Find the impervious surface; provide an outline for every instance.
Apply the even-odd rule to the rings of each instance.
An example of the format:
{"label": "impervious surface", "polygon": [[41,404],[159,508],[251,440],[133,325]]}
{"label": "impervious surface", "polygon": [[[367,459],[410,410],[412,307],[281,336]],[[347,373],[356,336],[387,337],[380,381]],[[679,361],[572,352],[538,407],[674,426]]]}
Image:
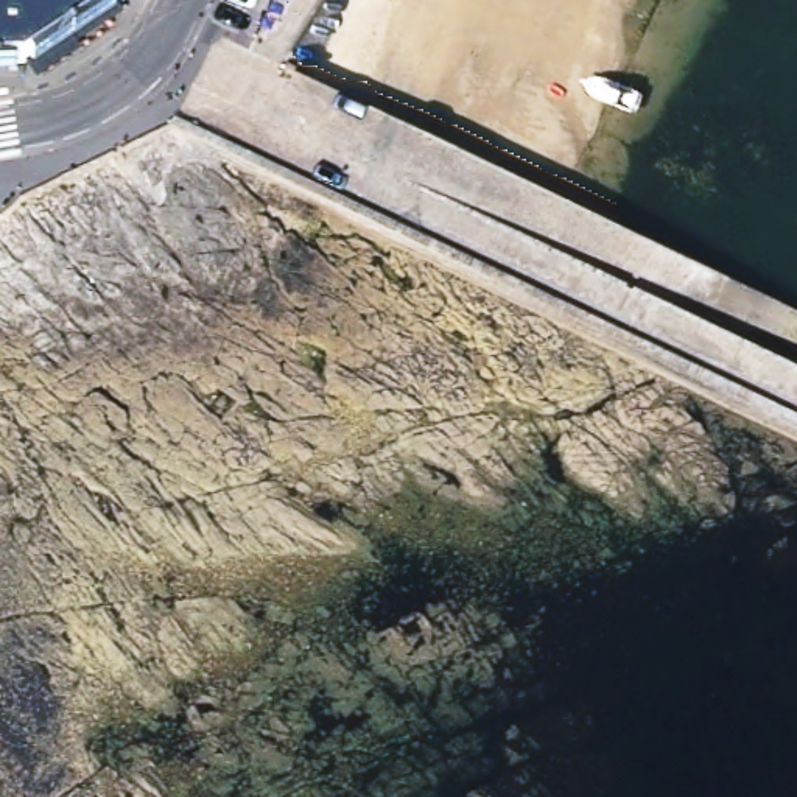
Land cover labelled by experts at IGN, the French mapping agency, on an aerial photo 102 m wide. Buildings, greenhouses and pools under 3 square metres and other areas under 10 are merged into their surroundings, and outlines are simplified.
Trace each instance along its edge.
{"label": "impervious surface", "polygon": [[168,174],[187,165],[227,162],[230,168],[246,171],[255,190],[274,184],[283,193],[308,199],[324,212],[333,212],[358,230],[370,233],[383,249],[402,246],[417,258],[430,258],[495,296],[504,296],[529,311],[551,318],[554,324],[582,336],[585,342],[595,342],[610,355],[629,358],[648,377],[682,386],[700,402],[741,414],[744,420],[797,442],[797,308],[772,296],[763,296],[607,218],[395,115],[386,115],[361,103],[339,103],[339,93],[333,87],[296,72],[293,44],[318,0],[118,0],[109,12],[78,28],[53,50],[37,53],[19,62],[16,68],[0,68],[0,212],[12,205],[16,196],[25,196],[28,190],[37,190],[59,174],[65,177],[65,184],[75,187],[87,187],[87,177],[97,181],[103,174],[121,174],[143,196],[165,202],[168,187],[156,184],[149,174],[140,171],[143,159],[162,159],[162,171]]}

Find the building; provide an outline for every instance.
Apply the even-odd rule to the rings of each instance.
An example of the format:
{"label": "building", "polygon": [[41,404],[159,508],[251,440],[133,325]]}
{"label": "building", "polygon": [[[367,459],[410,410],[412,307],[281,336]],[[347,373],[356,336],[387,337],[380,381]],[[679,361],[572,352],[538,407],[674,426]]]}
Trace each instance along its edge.
{"label": "building", "polygon": [[37,53],[53,50],[78,28],[109,12],[118,0],[0,0],[0,68],[16,68],[19,62]]}

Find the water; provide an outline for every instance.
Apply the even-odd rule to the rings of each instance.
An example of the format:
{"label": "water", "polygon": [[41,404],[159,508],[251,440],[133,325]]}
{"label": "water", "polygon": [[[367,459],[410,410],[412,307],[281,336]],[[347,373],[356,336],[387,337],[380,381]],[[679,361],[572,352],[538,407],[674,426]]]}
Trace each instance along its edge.
{"label": "water", "polygon": [[797,0],[632,0],[623,12],[620,68],[607,72],[607,78],[592,78],[585,87],[604,106],[595,134],[576,153],[573,165],[573,171],[595,177],[620,193],[616,209],[607,218],[763,296],[772,296],[797,308]]}
{"label": "water", "polygon": [[377,632],[383,632],[392,629],[399,616],[423,613],[430,604],[445,604],[448,613],[464,613],[467,607],[476,607],[498,613],[514,632],[517,644],[495,660],[489,685],[455,679],[451,697],[442,697],[442,685],[420,691],[399,688],[389,676],[377,676],[374,685],[380,685],[383,697],[395,704],[392,713],[402,722],[402,729],[392,732],[380,732],[367,713],[333,713],[330,694],[311,697],[308,716],[314,725],[302,732],[296,757],[318,760],[318,744],[330,741],[333,729],[349,729],[361,738],[361,750],[349,750],[346,763],[336,763],[330,757],[330,763],[321,769],[321,797],[797,797],[797,504],[766,511],[732,507],[729,514],[719,514],[707,504],[697,514],[691,514],[672,498],[657,514],[632,520],[629,514],[616,511],[601,492],[579,486],[567,498],[564,511],[557,511],[551,498],[539,501],[539,507],[529,507],[529,517],[520,526],[514,526],[514,542],[501,548],[501,557],[489,557],[479,548],[455,545],[439,548],[439,554],[420,554],[417,548],[405,548],[399,535],[389,532],[370,548],[374,560],[361,564],[361,576],[355,579],[355,598],[349,604],[355,620],[367,620]]}

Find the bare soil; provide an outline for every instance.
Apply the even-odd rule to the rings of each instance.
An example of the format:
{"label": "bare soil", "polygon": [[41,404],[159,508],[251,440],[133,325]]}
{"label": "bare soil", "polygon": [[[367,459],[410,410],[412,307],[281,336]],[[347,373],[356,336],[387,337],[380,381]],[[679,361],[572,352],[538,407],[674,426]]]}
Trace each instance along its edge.
{"label": "bare soil", "polygon": [[573,171],[573,165],[576,153],[595,134],[604,106],[585,87],[592,78],[607,78],[607,72],[620,68],[623,12],[632,0],[318,0],[293,44],[296,72],[333,87],[339,93],[339,103],[361,103],[386,115],[395,115],[607,218],[616,209],[620,193],[595,177]]}
{"label": "bare soil", "polygon": [[582,336],[554,324],[551,318],[529,311],[504,296],[495,296],[430,258],[417,258],[402,246],[383,249],[370,233],[358,230],[333,212],[324,212],[308,199],[283,193],[274,184],[255,190],[246,171],[230,168],[227,162],[187,165],[168,174],[162,171],[162,159],[143,159],[140,171],[149,174],[156,184],[168,187],[165,202],[143,196],[121,174],[103,174],[97,181],[87,177],[87,187],[75,187],[65,184],[65,177],[59,174],[37,190],[28,190],[25,196],[16,196],[12,205],[0,212],[0,797],[321,797],[321,769],[330,763],[330,757],[336,763],[346,763],[349,750],[361,750],[361,738],[349,729],[333,729],[330,741],[318,744],[318,760],[296,757],[302,732],[314,725],[308,716],[311,697],[330,694],[333,713],[367,713],[380,732],[392,732],[402,729],[402,722],[392,713],[395,704],[383,697],[380,685],[374,685],[377,676],[389,676],[399,688],[420,691],[442,685],[442,697],[451,697],[455,679],[489,685],[495,660],[517,644],[514,632],[498,613],[476,607],[467,607],[464,613],[448,613],[445,604],[430,604],[423,613],[399,616],[392,629],[383,632],[377,632],[367,620],[355,620],[349,604],[355,598],[355,579],[361,576],[361,564],[374,560],[370,548],[389,532],[399,535],[405,548],[417,548],[420,554],[439,554],[439,548],[455,545],[479,548],[489,557],[501,557],[501,548],[514,542],[514,526],[520,526],[529,517],[529,507],[539,507],[539,501],[551,498],[557,511],[564,511],[567,498],[579,486],[601,492],[616,511],[629,514],[632,520],[657,514],[672,498],[691,514],[697,514],[707,504],[719,514],[729,514],[732,507],[766,511],[797,504],[797,442],[744,420],[741,414],[700,402],[682,386],[648,377],[629,358],[610,355],[595,342],[585,342]]}

